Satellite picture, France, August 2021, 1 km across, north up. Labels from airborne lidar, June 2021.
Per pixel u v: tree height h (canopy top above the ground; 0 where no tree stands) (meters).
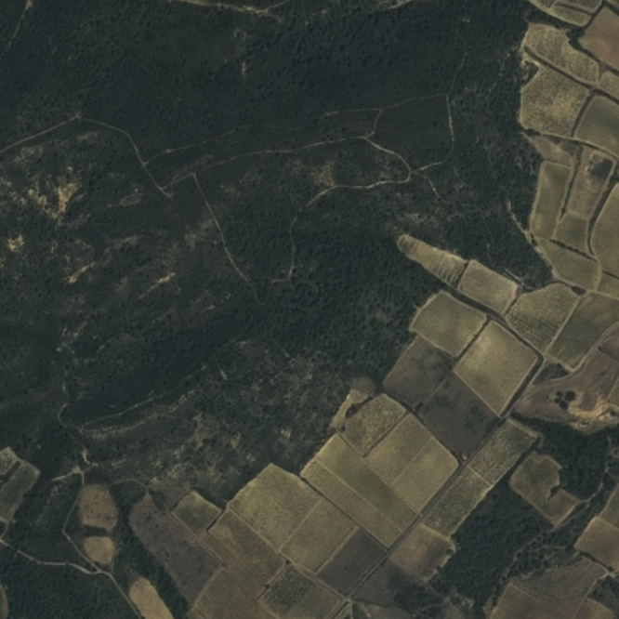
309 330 9
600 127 0
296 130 0
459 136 0
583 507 0
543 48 0
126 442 0
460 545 7
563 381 0
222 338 0
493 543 9
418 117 0
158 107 7
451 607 0
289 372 8
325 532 0
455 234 6
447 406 0
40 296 9
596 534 0
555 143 0
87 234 0
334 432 0
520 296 0
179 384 0
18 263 0
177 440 0
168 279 0
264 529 0
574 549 11
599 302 0
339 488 0
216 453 0
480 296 0
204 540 0
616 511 0
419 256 0
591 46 0
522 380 0
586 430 0
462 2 6
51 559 0
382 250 8
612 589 6
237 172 0
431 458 0
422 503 0
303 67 13
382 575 0
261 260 8
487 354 0
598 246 0
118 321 0
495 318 0
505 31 7
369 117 0
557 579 0
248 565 0
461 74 7
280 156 10
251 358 0
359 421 0
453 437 0
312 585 0
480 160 8
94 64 8
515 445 0
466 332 0
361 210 6
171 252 0
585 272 0
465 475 0
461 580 8
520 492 0
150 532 0
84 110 7
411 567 0
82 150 6
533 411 0
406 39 8
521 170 8
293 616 0
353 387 0
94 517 0
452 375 0
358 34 7
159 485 0
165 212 0
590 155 0
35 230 8
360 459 0
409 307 9
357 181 0
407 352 0
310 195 11
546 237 0
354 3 10
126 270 7
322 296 12
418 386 0
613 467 8
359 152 0
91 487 0
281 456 0
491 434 0
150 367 0
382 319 0
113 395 0
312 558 0
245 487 0
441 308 0
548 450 7
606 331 0
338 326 8
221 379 7
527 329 0
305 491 0
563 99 0
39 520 0
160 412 0
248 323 6
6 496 0
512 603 0
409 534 0
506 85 7
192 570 0
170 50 0
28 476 0
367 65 10
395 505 0
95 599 6
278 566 0
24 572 9
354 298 10
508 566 11
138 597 0
